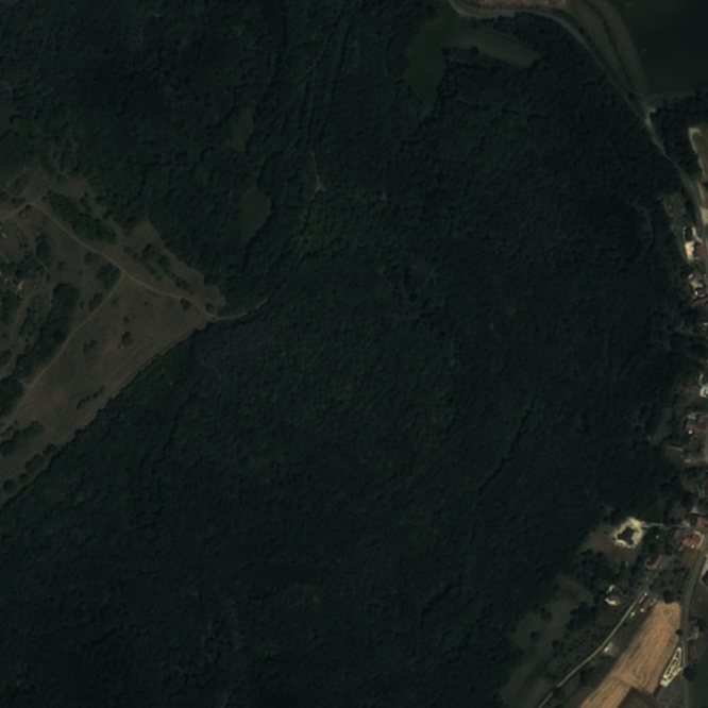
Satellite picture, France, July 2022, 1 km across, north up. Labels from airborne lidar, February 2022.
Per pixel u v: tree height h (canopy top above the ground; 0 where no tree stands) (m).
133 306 0
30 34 7
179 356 6
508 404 17
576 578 10
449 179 21
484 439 19
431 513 13
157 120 19
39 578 19
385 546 15
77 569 19
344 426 15
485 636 18
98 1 17
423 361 9
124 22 15
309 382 10
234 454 8
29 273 11
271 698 14
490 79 17
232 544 22
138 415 18
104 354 0
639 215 20
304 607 18
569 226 15
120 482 20
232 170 13
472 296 18
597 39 0
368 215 15
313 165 8
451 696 17
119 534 24
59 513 12
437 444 7
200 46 8
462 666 17
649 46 0
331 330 6
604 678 0
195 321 0
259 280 19
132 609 20
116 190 6
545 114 11
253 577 11
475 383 19
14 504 15
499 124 19
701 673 0
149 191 15
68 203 13
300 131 11
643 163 25
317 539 21
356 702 20
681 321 8
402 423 13
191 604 18
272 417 11
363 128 17
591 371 17
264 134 16
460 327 17
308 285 13
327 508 14
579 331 18
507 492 20
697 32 0
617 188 18
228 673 21
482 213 20
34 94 14
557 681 6
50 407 0
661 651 0
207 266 23
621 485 20
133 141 21
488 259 21
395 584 19
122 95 26
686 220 0
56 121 13
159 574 19
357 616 21
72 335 0
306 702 20
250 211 0
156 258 10
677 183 21
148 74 14
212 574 15
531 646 0
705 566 0
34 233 0
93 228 12
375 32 21
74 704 10
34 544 15
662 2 0
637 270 23
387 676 15
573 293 17
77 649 10
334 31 17
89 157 15
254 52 18
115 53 19
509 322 14
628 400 25
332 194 7
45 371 0
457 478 15
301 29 18
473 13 0
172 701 24
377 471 12
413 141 8
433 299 18
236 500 17
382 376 11
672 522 9
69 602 24
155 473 18
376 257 14
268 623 17
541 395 15
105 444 14
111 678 13
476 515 17
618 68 0
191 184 15
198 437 7
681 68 0
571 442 19
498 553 16
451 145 21
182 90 20
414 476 16
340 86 18
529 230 18
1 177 0
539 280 17
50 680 10
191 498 15
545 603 7
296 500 7
